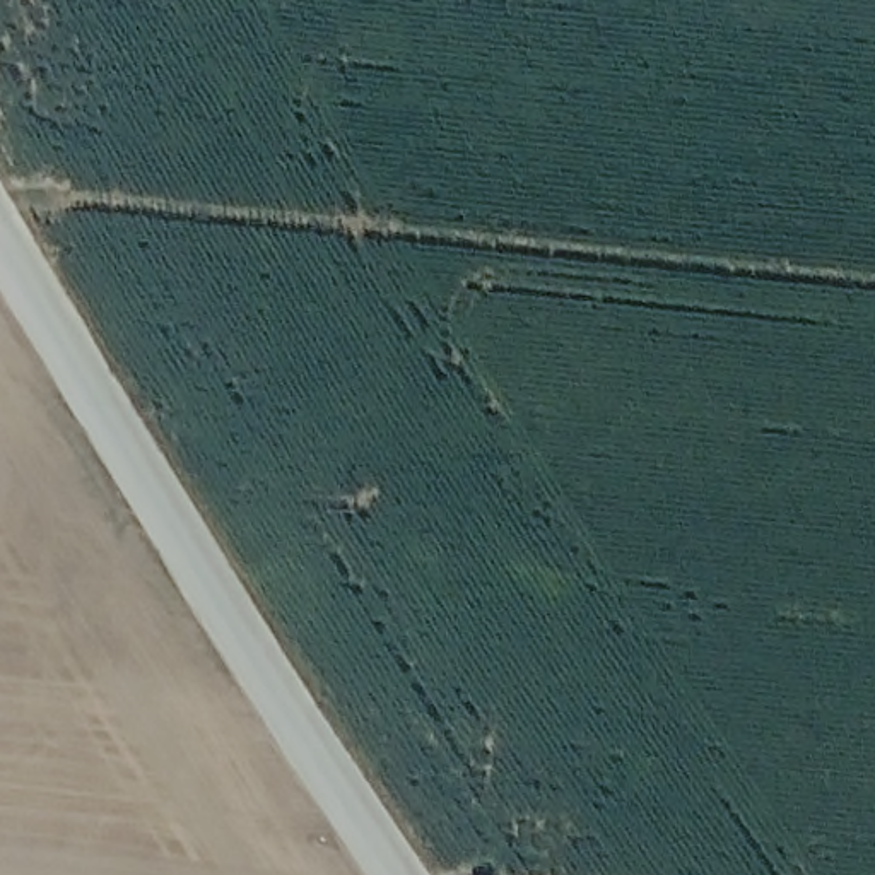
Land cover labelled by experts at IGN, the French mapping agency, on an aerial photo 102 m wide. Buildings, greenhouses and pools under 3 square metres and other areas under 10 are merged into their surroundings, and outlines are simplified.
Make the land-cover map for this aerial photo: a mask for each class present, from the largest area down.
<instances>
[{"label":"agricultural land","instance_id":"1","mask_svg":"<svg viewBox=\"0 0 875 875\"><path fill-rule=\"evenodd\" d=\"M0 181L10 202L17 205L21 219L41 243V253L55 263L68 297L85 318L113 376L123 383L140 420L147 424L157 448L178 472L181 485L188 489L212 537L226 550L246 595L267 619L291 667L297 670L314 704L332 721L335 735L352 752L362 776L373 783V790L400 824L403 837L424 858L431 875H875V0H0Z\"/></svg>","mask_w":875,"mask_h":875},{"label":"plowed land","instance_id":"2","mask_svg":"<svg viewBox=\"0 0 875 875\"><path fill-rule=\"evenodd\" d=\"M0 875H362L335 827L328 824V817L321 813L318 800L311 796V790L284 759L267 721L253 708L250 694L229 670L212 636L205 632L202 619L181 595L167 561L147 537L130 499L120 492L92 438L79 424L58 383L51 379L41 352L34 349L17 314L0 294Z\"/></svg>","mask_w":875,"mask_h":875},{"label":"impervious surface","instance_id":"3","mask_svg":"<svg viewBox=\"0 0 875 875\"><path fill-rule=\"evenodd\" d=\"M0 294L17 314L34 349L41 352L51 379L58 383L79 424L92 438L120 492L130 499L147 537L167 561L181 595L202 619L205 632L212 636L229 670L250 694L253 708L267 721L284 759L311 790V796L318 800L321 813L328 817V824L335 827L362 875H431L424 858L403 837L400 824L373 790V783L362 776L352 752L335 735L332 721L314 704L297 670L291 667L267 619L246 595L226 550L212 537L188 489L181 485L178 472L157 448L147 424L140 420L123 383L113 376L85 318L68 297L55 263L41 253V243L21 219L17 205L10 202L0 181Z\"/></svg>","mask_w":875,"mask_h":875}]
</instances>
